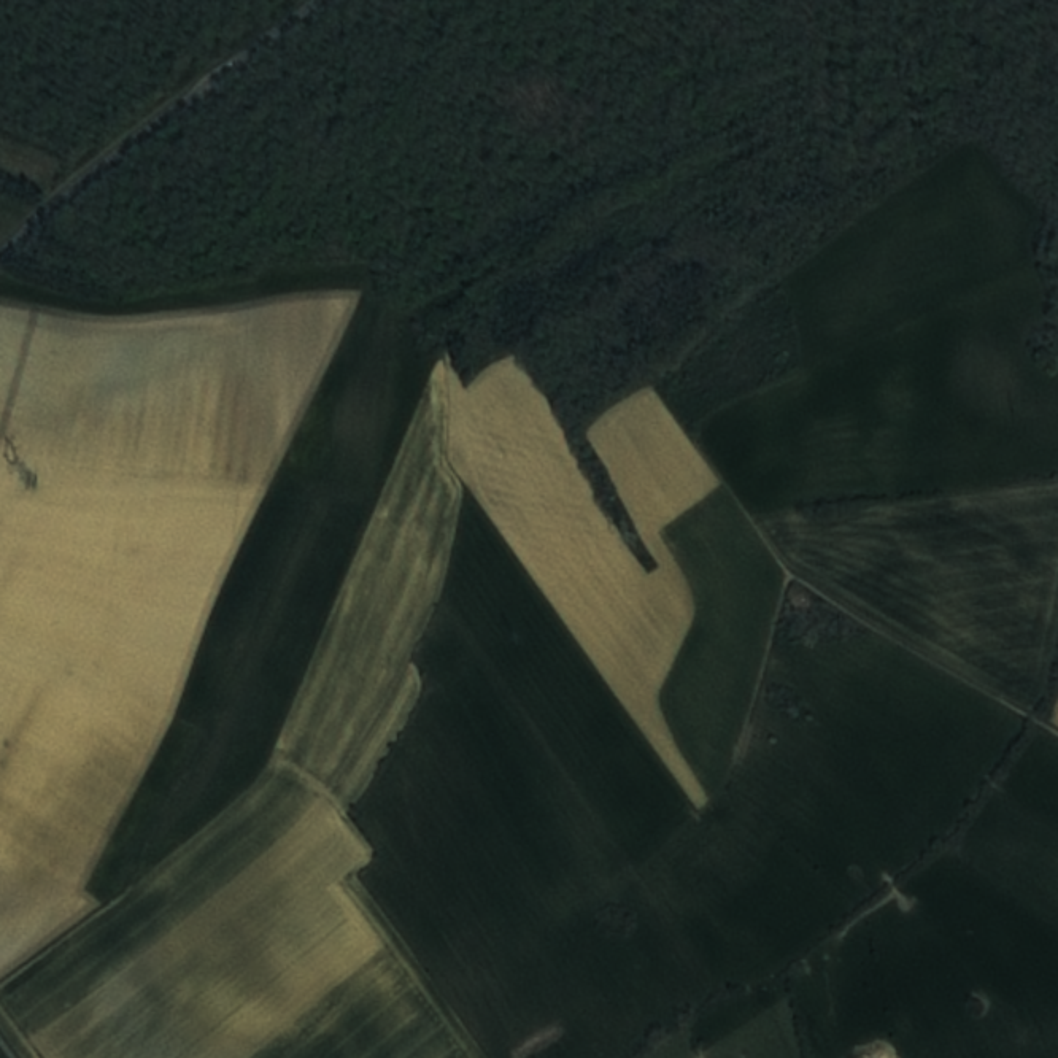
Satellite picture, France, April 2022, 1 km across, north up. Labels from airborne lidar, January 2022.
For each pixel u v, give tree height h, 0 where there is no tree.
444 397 0
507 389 0
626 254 18
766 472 0
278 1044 0
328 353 0
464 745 0
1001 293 0
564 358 21
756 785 0
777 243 14
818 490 0
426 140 22
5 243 0
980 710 0
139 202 20
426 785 0
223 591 0
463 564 0
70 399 0
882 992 0
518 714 0
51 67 23
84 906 0
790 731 0
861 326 0
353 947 0
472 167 25
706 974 0
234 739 0
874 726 0
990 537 0
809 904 0
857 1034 0
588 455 12
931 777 0
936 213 0
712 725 0
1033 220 0
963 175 0
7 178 9
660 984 0
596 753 0
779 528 0
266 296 0
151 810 0
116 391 0
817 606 12
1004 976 0
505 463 0
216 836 0
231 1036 0
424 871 0
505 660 0
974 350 0
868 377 0
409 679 0
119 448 0
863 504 7
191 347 0
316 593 0
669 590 0
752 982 0
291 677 0
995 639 0
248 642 0
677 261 26
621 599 0
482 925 0
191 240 23
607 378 19
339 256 21
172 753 0
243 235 21
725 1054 0
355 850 0
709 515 0
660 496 0
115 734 0
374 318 0
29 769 0
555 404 10
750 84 23
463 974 0
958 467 0
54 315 0
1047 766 0
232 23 23
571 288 20
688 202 11
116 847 0
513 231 28
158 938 0
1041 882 0
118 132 21
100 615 0
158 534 0
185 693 0
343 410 0
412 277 26
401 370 0
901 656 0
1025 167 25
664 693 0
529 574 0
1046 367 18
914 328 0
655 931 0
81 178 0
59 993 0
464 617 0
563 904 0
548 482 0
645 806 0
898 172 15
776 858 0
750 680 0
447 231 24
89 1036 0
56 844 0
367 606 0
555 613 0
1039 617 0
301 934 0
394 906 0
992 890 0
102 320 0
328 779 0
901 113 27
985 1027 0
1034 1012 0
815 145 19
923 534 0
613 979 0
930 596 0
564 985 0
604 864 0
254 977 0
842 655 0
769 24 24
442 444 0
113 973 0
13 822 0
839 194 15
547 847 0
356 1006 0
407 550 0
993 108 20
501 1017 0
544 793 0
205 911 0
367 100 23
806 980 0
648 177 26
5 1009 0
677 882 0
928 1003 0
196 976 0
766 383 7
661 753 0
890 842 0
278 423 0
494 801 0
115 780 0
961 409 0
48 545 0
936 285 0
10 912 0
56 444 0
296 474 0
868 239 0
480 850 0
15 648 0
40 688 0
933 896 0
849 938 0
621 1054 0
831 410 0
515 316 20
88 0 27
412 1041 0
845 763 0
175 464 0
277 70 26
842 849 0
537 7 25
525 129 31
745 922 0
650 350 25
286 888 0
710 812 0
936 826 0
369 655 0
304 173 24
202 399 0
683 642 0
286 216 21
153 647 0
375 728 0
